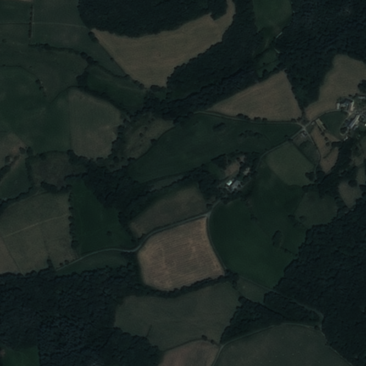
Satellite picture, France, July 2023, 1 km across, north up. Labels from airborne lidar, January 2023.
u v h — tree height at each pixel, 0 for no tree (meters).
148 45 0
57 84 0
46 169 0
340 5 19
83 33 0
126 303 0
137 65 0
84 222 0
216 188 11
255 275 0
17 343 25
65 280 23
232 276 23
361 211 19
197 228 0
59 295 24
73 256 0
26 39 0
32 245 0
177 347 0
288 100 0
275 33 0
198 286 13
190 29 0
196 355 0
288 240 0
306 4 22
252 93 0
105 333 8
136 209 8
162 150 0
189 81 19
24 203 0
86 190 0
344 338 21
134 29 19
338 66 0
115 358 19
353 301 20
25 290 22
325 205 0
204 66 24
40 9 0
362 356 24
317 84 10
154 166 0
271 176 0
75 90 0
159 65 0
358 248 18
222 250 0
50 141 0
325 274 10
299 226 9
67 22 0
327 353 0
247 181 17
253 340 0
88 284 23
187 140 0
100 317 24
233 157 0
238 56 25
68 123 0
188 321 0
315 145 8
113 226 0
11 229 0
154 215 0
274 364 0
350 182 7
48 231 0
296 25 21
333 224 8
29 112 0
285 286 20
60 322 23
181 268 0
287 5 0
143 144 0
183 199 0
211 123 0
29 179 9
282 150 0
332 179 23
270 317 20
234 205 0
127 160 0
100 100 0
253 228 0
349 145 19
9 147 0
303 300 18
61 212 0
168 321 0
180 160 0
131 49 0
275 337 0
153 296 8
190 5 10
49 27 0
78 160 13
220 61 22
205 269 0
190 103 17
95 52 0
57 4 0
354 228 19
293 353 0
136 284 15
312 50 18
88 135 0
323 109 0
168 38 0
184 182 17
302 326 0
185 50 0
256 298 0
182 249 0
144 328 0
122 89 0
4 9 0
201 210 0
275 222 0
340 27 10
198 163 0
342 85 0
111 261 0
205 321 0
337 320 19
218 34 0
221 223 0
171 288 0
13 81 0
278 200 0
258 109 0
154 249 0
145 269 0
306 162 0
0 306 22
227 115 0
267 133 0
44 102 0
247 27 20
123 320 0
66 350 22
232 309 0
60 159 0
